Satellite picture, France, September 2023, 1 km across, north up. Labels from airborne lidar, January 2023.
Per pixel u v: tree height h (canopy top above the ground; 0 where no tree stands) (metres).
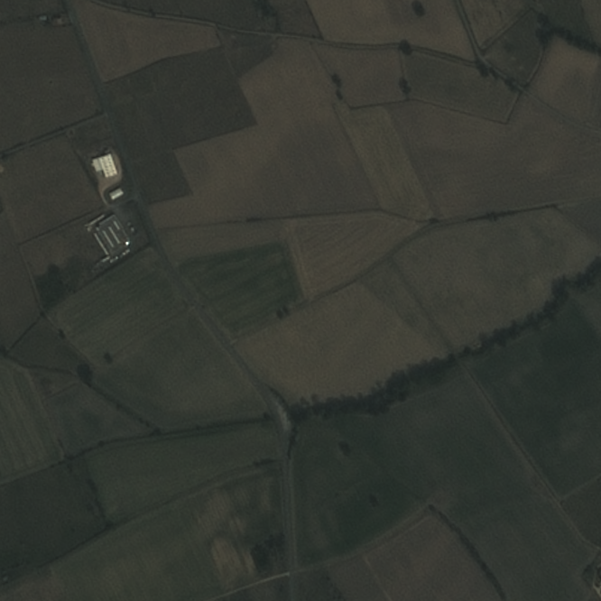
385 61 0
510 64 0
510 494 0
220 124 0
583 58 0
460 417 0
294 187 0
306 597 0
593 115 0
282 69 0
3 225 0
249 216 0
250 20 0
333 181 0
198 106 0
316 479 0
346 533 0
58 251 0
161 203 0
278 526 0
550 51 0
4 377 0
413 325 0
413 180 0
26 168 0
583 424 0
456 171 0
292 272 0
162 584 0
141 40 0
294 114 0
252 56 0
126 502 0
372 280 0
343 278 0
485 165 0
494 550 0
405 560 0
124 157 0
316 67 0
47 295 0
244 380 0
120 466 0
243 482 0
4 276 0
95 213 0
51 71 0
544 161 0
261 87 0
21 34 0
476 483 0
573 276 0
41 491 0
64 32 0
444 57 0
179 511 0
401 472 0
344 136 0
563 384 0
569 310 0
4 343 0
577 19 0
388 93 0
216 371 0
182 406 0
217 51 0
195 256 0
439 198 0
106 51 0
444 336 0
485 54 0
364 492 0
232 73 0
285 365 0
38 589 0
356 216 0
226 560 0
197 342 0
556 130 0
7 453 0
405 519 0
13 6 0
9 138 0
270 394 0
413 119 0
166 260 0
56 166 0
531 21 0
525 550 0
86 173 0
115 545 0
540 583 0
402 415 0
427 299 0
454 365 12
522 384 0
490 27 0
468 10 0
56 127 0
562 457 0
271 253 0
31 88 0
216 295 0
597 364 0
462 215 0
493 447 0
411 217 0
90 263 0
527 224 0
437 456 0
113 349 0
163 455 0
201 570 0
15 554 0
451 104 0
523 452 0
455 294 0
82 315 0
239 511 0
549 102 0
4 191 0
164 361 0
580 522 0
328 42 0
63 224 0
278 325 0
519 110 0
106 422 0
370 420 0
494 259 0
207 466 0
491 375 0
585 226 0
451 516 0
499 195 0
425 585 0
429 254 0
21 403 0
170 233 0
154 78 0
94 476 0
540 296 0
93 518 20
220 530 0
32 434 0
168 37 0
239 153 0
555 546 0
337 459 0
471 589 0
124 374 0
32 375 0
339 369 0
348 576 0
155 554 0
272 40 0
